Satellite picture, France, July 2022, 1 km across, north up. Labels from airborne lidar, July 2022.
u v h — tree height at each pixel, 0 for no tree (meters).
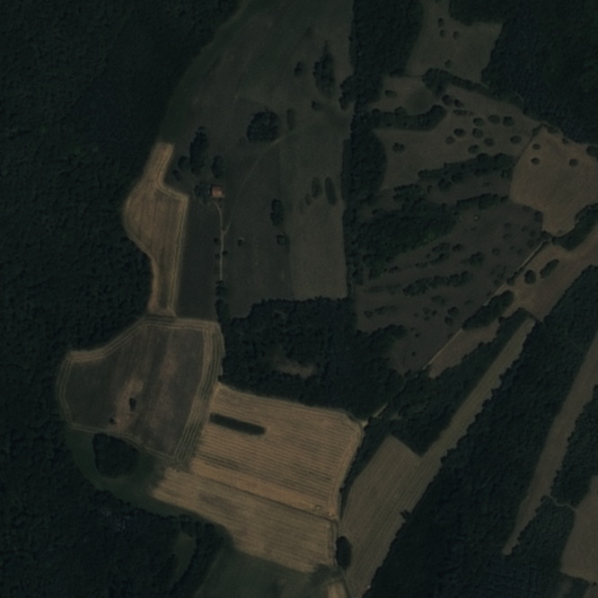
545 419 9
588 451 6
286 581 0
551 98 13
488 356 6
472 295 0
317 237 0
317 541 0
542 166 0
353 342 17
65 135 19
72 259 18
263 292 0
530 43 13
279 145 0
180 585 14
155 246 0
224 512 0
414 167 0
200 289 0
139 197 0
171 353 0
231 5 22
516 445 8
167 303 0
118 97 13
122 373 0
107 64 13
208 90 0
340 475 0
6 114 18
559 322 6
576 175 0
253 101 0
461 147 0
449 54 0
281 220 13
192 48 13
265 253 0
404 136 0
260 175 0
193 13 18
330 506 0
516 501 13
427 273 0
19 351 20
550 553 10
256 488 0
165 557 26
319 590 0
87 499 25
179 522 13
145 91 15
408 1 13
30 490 24
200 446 0
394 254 11
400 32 16
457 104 13
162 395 0
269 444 0
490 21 7
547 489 0
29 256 26
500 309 11
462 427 0
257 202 0
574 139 12
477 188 0
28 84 18
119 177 22
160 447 0
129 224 0
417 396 8
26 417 34
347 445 0
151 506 0
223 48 0
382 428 7
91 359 0
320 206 0
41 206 20
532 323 0
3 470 30
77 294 18
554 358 8
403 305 0
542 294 0
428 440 16
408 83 0
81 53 17
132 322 13
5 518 30
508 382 21
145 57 12
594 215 11
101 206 24
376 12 19
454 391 7
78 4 17
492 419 13
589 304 7
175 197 0
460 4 7
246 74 0
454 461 8
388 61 12
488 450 16
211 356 0
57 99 20
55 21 25
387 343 16
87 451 0
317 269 0
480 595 15
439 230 11
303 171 0
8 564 22
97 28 18
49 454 8
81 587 22
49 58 20
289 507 0
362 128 18
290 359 18
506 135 0
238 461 0
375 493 0
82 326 21
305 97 0
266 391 16
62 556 24
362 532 0
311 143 0
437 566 7
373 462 0
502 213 0
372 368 16
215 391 0
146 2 15
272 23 0
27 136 24
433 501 8
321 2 0
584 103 10
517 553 10
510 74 11
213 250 0
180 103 0
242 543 0
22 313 22
